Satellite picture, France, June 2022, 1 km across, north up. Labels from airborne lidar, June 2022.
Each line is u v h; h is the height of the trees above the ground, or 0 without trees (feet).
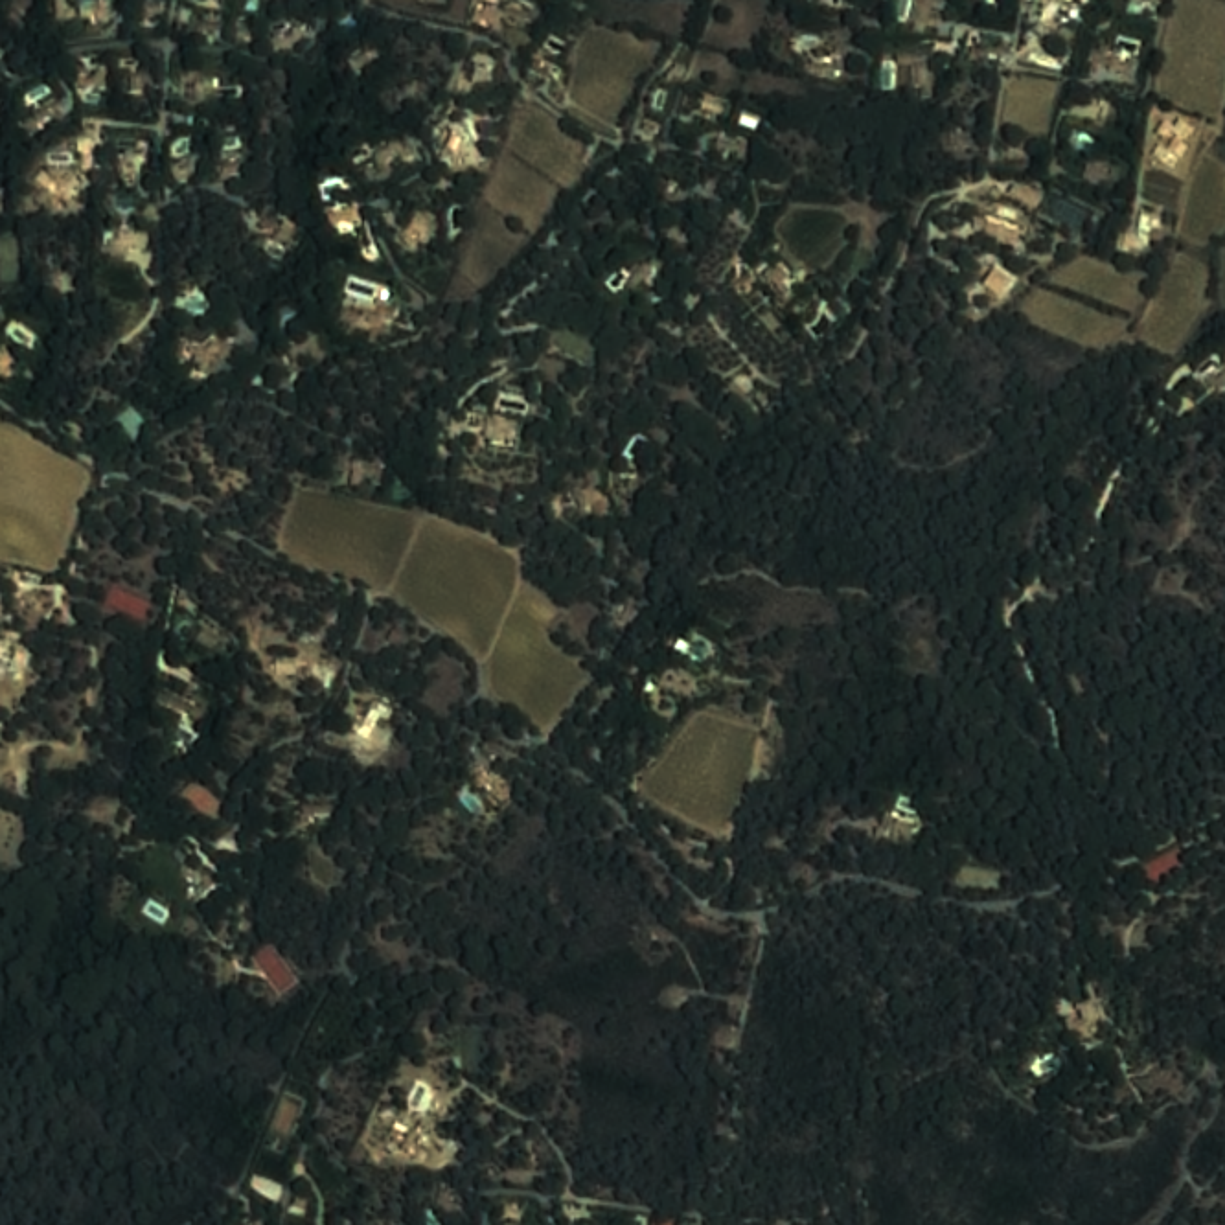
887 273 43
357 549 0
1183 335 0
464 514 22
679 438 45
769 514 33
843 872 27
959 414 21
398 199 27
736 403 44
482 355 40
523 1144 31
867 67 44
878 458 39
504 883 25
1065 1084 47
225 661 39
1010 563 39
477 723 37
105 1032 46
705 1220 23
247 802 36
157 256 27
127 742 26
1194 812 37
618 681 36
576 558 27
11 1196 56
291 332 37
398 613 24
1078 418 28
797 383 47
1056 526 44
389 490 32
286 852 44
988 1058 40
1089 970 41
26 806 40
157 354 40
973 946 48
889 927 40
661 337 29
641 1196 36
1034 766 50
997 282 0
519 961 33
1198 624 32
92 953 34
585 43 0
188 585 31
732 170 23
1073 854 32
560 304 32
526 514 32
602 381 32
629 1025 0
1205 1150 22
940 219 30
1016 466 29
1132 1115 33
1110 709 38
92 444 38
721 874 38
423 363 30
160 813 36
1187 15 0
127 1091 37
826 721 38
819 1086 21
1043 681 44
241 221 21
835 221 0
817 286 23
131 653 43
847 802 57
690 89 22
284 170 44
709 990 27
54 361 38
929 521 37
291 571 25
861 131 45
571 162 0
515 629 0
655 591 56
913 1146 46
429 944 35
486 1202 40
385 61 29
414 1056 28
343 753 26
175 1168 36
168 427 34
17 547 0
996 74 24
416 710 30
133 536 38
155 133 22
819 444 42
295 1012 28
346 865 29
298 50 29
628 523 36
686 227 28
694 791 0
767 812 37
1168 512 38
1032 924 34
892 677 18
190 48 43
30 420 23
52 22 38
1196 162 0
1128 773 42
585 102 0
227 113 19
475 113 26
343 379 29
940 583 31
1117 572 30
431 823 19
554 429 32
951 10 36
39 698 36
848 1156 31
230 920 28
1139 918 19
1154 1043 39
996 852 31
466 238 34
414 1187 39
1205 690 41
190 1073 35
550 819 30
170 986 36
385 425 36
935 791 33
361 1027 36
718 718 0
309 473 27
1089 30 18
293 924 35
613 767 27
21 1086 38
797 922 21
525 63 27
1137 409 21
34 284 41
